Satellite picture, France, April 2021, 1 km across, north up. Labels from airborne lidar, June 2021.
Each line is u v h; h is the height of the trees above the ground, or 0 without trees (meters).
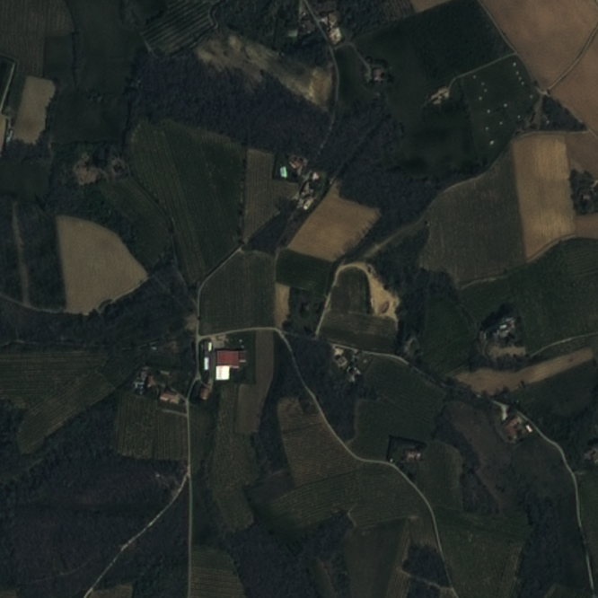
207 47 0
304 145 18
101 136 0
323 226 0
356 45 0
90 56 0
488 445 0
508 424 0
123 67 0
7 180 0
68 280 0
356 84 0
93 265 0
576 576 5
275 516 0
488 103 0
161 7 0
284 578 19
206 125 17
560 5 0
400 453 0
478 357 18
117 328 9
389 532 0
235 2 5
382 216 22
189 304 11
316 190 10
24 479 18
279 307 0
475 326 10
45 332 14
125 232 17
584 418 15
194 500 0
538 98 0
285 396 13
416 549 10
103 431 17
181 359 13
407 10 8
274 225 12
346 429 12
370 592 0
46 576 9
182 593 8
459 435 13
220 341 0
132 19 18
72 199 15
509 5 0
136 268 0
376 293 0
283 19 7
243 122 17
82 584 16
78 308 0
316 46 15
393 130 15
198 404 13
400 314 14
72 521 10
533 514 18
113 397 0
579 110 0
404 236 0
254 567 19
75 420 13
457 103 0
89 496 15
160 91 18
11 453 10
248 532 13
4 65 0
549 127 8
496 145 0
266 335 0
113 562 11
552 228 0
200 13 5
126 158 10
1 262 8
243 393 0
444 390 10
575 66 0
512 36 0
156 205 9
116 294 0
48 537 6
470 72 0
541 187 0
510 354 0
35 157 17
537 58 0
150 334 13
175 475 9
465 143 0
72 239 0
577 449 6
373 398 10
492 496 12
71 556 18
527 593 16
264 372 0
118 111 0
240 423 0
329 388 15
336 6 6
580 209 11
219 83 18
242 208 12
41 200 0
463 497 9
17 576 16
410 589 14
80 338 7
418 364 15
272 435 14
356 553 0
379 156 18
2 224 13
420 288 27
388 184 19
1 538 20
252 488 0
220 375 0
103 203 7
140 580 8
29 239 14
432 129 0
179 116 18
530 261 0
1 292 11
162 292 11
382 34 0
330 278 8
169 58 10
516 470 8
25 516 18
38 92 0
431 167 0
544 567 15
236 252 0
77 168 0
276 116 20
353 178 22
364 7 9
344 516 10
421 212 15
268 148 16
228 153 0
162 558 14
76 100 0
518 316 11
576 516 7
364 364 0
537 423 10
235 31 15
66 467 16
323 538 15
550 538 16
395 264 19
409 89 0
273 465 12
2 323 12
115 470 6
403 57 0
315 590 23
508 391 13
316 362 18
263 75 0
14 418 18
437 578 17
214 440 8
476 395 17
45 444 8
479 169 11
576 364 0
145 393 6
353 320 0
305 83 0
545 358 6
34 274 13
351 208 0
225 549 7
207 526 0
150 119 15
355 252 23
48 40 0
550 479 0
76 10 0
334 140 16
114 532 9
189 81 21
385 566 0
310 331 12
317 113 13
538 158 0
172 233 12
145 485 15
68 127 0
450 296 11
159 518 13
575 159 0
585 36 0
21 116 0
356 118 12
